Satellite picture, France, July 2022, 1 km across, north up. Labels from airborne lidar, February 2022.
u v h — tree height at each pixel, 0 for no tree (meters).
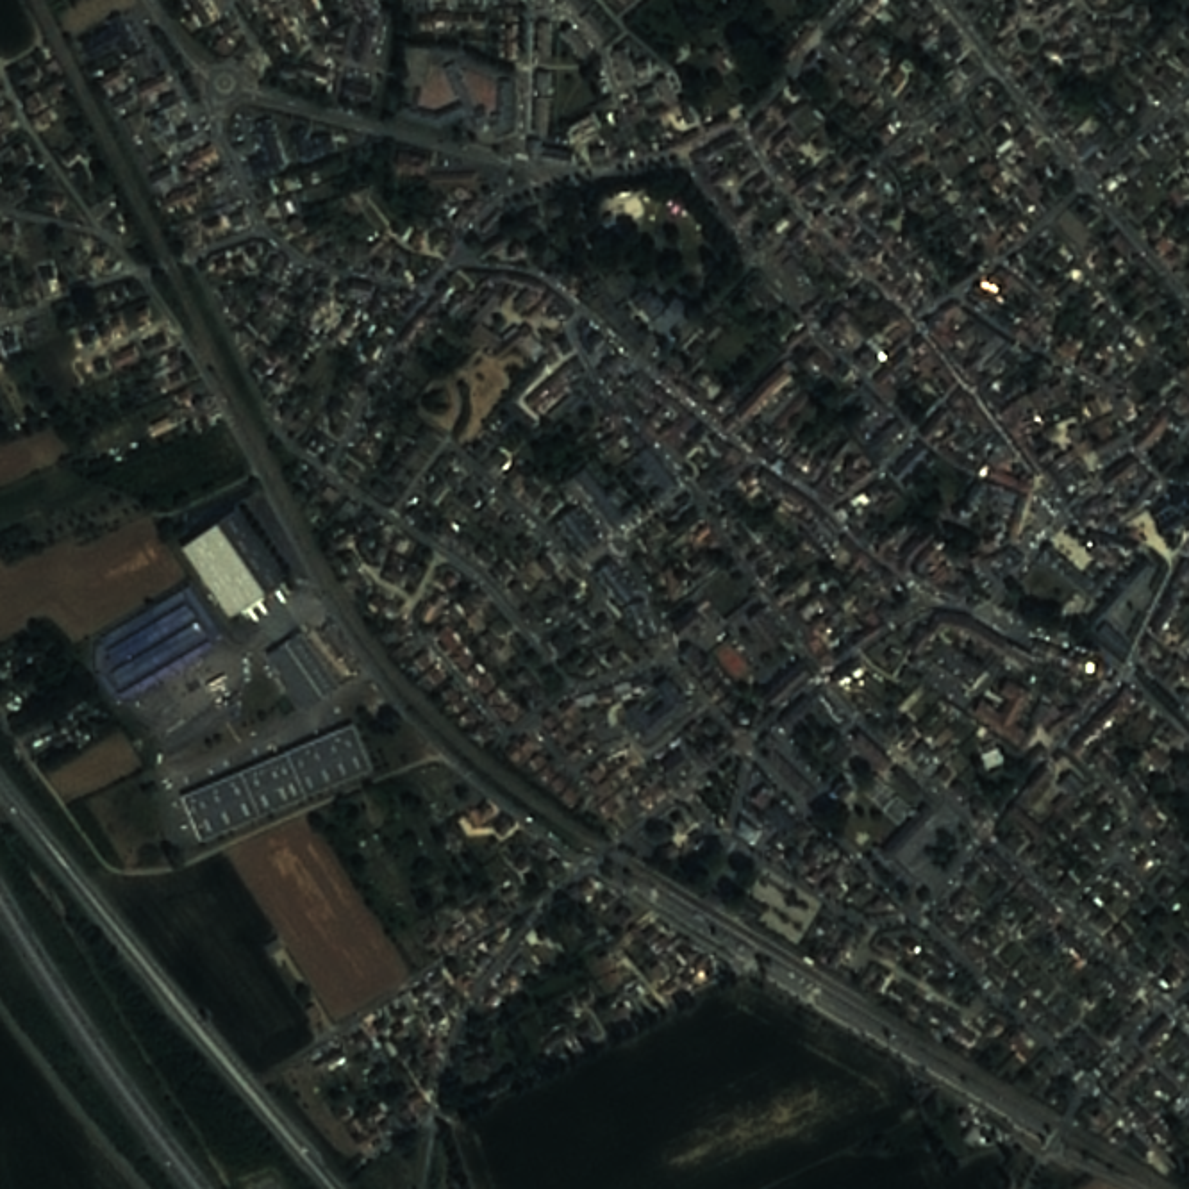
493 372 0
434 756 0
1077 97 13
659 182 21
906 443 0
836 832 20
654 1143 0
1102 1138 0
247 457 0
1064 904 0
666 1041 0
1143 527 0
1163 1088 0
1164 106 0
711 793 8
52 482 0
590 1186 0
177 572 0
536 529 0
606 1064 0
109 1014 6
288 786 0
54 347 0
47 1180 0
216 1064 0
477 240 15
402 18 8
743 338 0
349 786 0
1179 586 0
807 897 0
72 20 0
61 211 0
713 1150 0
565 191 13
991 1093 0
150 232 0
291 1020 0
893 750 0
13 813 0
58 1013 0
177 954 0
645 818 0
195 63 0
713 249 13
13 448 0
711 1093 0
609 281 28
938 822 0
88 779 0
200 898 0
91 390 0
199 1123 10
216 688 0
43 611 0
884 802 0
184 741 0
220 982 0
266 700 0
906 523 6
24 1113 0
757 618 0
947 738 0
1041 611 19
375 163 7
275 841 0
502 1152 0
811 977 0
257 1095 0
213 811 0
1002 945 0
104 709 8
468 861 14
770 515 6
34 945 0
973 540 11
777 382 0
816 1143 0
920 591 0
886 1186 0
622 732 0
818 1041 0
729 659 0
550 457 6
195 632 0
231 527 0
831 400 17
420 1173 0
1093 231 0
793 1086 0
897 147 0
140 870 0
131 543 0
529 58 0
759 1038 0
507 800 0
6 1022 0
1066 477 0
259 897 0
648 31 6
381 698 0
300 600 0
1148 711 10
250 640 0
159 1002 0
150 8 0
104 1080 0
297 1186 7
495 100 0
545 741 0
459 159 0
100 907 0
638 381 0
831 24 0
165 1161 0
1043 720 0
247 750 0
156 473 0
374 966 0
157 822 0
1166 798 17
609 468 8
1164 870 0
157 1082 9
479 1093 11
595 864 0
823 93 8
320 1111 0
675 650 0
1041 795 0
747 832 0
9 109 6
